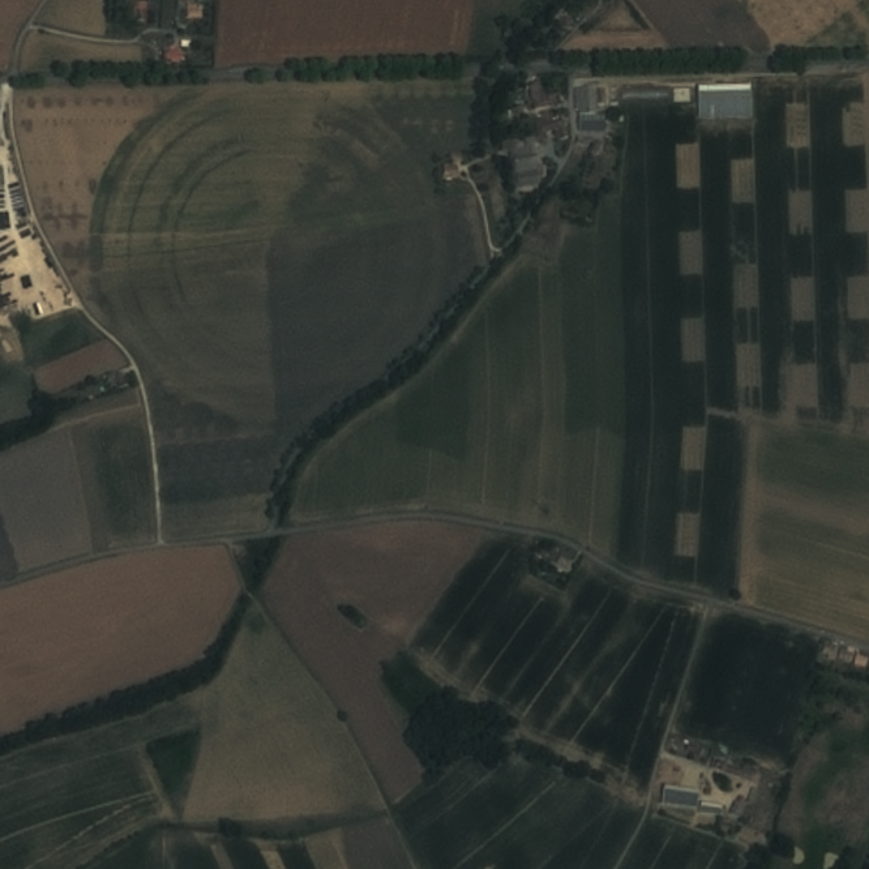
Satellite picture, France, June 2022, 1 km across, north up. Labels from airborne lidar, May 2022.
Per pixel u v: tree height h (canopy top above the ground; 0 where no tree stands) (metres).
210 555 0
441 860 0
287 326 0
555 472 0
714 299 0
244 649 0
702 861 0
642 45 0
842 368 0
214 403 0
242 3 0
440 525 0
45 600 0
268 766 0
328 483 0
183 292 0
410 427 0
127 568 0
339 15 0
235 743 0
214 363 0
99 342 0
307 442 18
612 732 0
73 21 0
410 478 0
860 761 0
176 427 0
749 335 0
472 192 0
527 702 0
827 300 0
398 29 0
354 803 0
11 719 0
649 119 0
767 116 0
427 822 0
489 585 0
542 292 0
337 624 0
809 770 0
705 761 7
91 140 0
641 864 0
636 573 0
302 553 0
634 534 0
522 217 10
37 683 0
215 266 0
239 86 0
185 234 0
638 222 0
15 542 0
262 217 0
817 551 0
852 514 0
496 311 0
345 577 0
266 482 0
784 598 0
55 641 0
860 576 0
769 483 0
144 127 0
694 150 0
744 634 0
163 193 0
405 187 0
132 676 0
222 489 0
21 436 23
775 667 0
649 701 0
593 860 0
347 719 7
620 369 0
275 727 0
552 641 0
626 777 0
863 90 0
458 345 0
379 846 0
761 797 0
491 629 0
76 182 0
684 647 0
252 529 0
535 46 10
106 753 0
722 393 0
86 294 0
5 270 0
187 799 0
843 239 0
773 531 0
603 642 0
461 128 0
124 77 19
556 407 0
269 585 0
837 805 0
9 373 0
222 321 0
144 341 0
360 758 0
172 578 0
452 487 0
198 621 0
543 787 0
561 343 0
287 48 0
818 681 14
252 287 0
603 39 0
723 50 22
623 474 0
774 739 0
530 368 0
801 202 0
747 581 0
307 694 0
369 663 0
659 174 0
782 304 0
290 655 0
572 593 0
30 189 0
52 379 0
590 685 0
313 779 0
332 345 0
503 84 11
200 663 13
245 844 0
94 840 0
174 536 0
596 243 0
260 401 0
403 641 0
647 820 0
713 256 0
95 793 0
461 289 9
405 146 0
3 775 0
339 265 0
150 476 0
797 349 0
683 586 0
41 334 0
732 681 0
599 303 0
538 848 0
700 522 0
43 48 0
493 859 0
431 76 27
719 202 0
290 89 0
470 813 0
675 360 0
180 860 0
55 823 0
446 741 20
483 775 0
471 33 0
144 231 0
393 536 0
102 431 0
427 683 0
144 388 0
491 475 0
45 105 0
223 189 0
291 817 0
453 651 0
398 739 0
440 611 0
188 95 0
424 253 0
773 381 0
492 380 0
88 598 0
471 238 0
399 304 0
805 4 0
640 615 0
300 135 0
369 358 0
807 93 0
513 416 0
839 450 0
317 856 0
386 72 24
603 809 0
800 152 0
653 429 0
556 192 8
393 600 0
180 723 0
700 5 0
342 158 0
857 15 0
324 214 0
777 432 0
